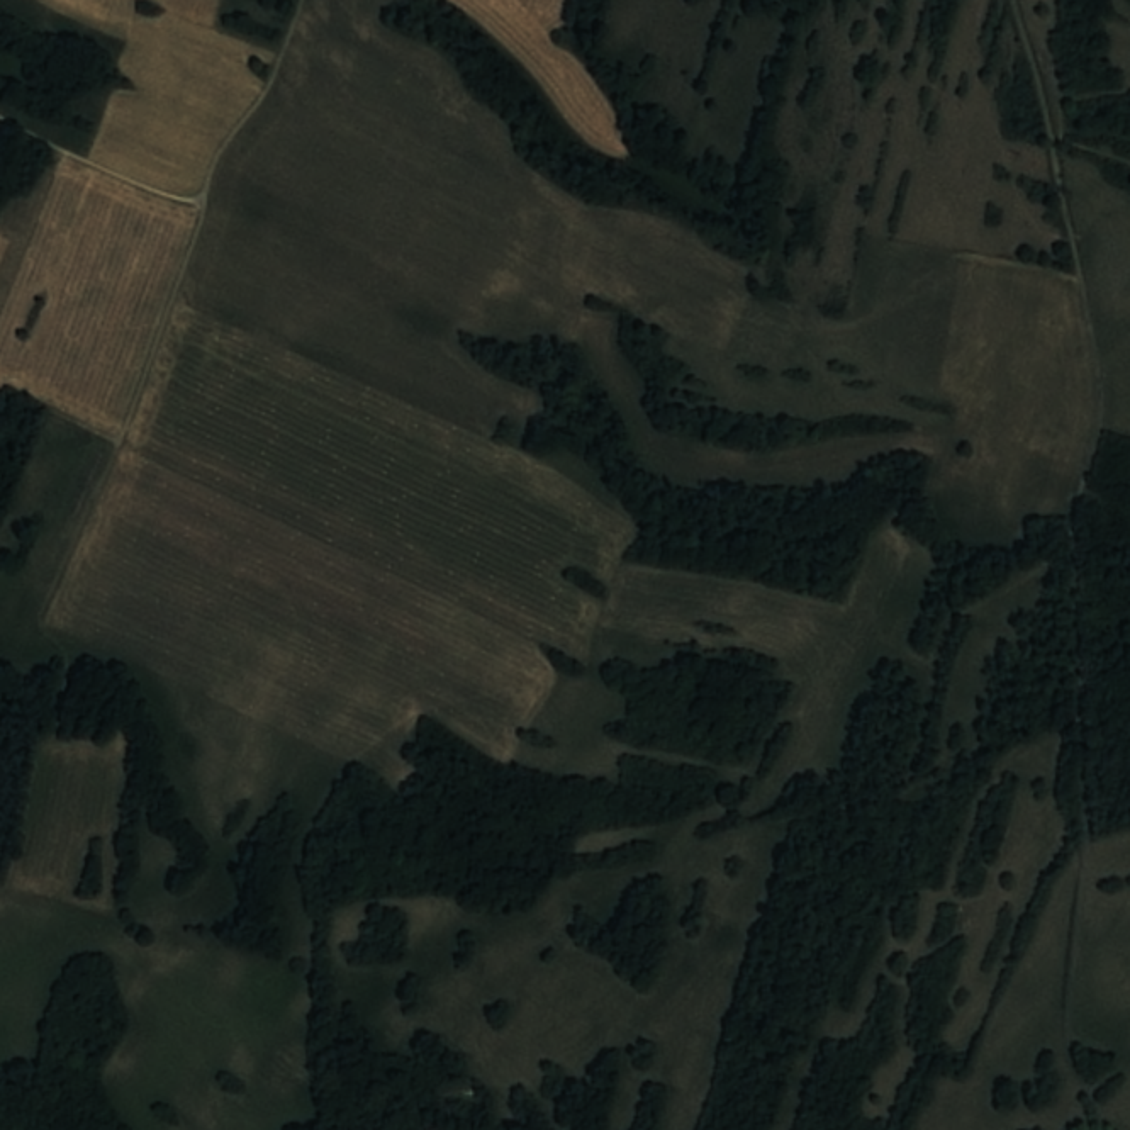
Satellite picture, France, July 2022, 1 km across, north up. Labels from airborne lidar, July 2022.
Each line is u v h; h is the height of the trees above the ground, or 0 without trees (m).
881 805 12
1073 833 8
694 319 0
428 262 0
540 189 0
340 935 0
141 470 0
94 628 0
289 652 0
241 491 0
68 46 20
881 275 0
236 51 0
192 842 17
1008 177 11
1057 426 0
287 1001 0
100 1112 9
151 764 20
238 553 0
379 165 0
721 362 0
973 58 0
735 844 0
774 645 0
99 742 14
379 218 0
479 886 20
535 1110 10
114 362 0
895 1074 0
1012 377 0
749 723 9
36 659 0
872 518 15
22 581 0
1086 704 15
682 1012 0
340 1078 21
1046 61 0
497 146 0
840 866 17
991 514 0
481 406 0
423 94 0
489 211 0
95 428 0
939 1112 0
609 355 0
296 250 0
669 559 20
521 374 8
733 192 12
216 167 0
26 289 0
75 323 0
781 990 21
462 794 17
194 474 0
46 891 0
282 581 0
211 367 0
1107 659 18
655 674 7
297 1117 0
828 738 0
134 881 7
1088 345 0
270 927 11
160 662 0
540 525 0
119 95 0
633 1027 0
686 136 21
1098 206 0
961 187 0
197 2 0
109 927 0
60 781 0
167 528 0
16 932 0
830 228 0
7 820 24
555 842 14
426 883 8
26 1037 0
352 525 0
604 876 0
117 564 0
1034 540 14
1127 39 0
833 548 23
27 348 0
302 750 0
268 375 0
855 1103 13
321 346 0
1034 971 0
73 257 0
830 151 0
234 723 0
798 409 0
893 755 20
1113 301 0
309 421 0
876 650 0
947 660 15
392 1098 9
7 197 11
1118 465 6
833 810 15
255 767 0
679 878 0
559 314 0
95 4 0
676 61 0
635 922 19
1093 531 20
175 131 0
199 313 0
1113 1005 0
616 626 0
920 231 0
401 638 0
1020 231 0
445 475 0
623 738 16
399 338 0
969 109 0
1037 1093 12
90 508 0
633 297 0
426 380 0
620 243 0
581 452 17
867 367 0
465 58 16
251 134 0
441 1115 16
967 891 9
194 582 0
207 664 0
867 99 12
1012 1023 0
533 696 0
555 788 12
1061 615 19
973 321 0
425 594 0
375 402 0
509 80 11
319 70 0
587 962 0
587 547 0
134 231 0
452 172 0
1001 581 13
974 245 0
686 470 0
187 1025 0
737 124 0
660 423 14
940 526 18
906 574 0
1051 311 0
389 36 0
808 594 8
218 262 0
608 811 8
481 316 0
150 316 0
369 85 0
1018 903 0
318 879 10
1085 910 0
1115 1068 7
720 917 0
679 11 0
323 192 0
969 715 0
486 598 0
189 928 9
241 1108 0
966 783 10
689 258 0
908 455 15
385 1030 0
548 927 0
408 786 14
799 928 20
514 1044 0
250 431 0
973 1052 10
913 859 14
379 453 0
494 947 0
